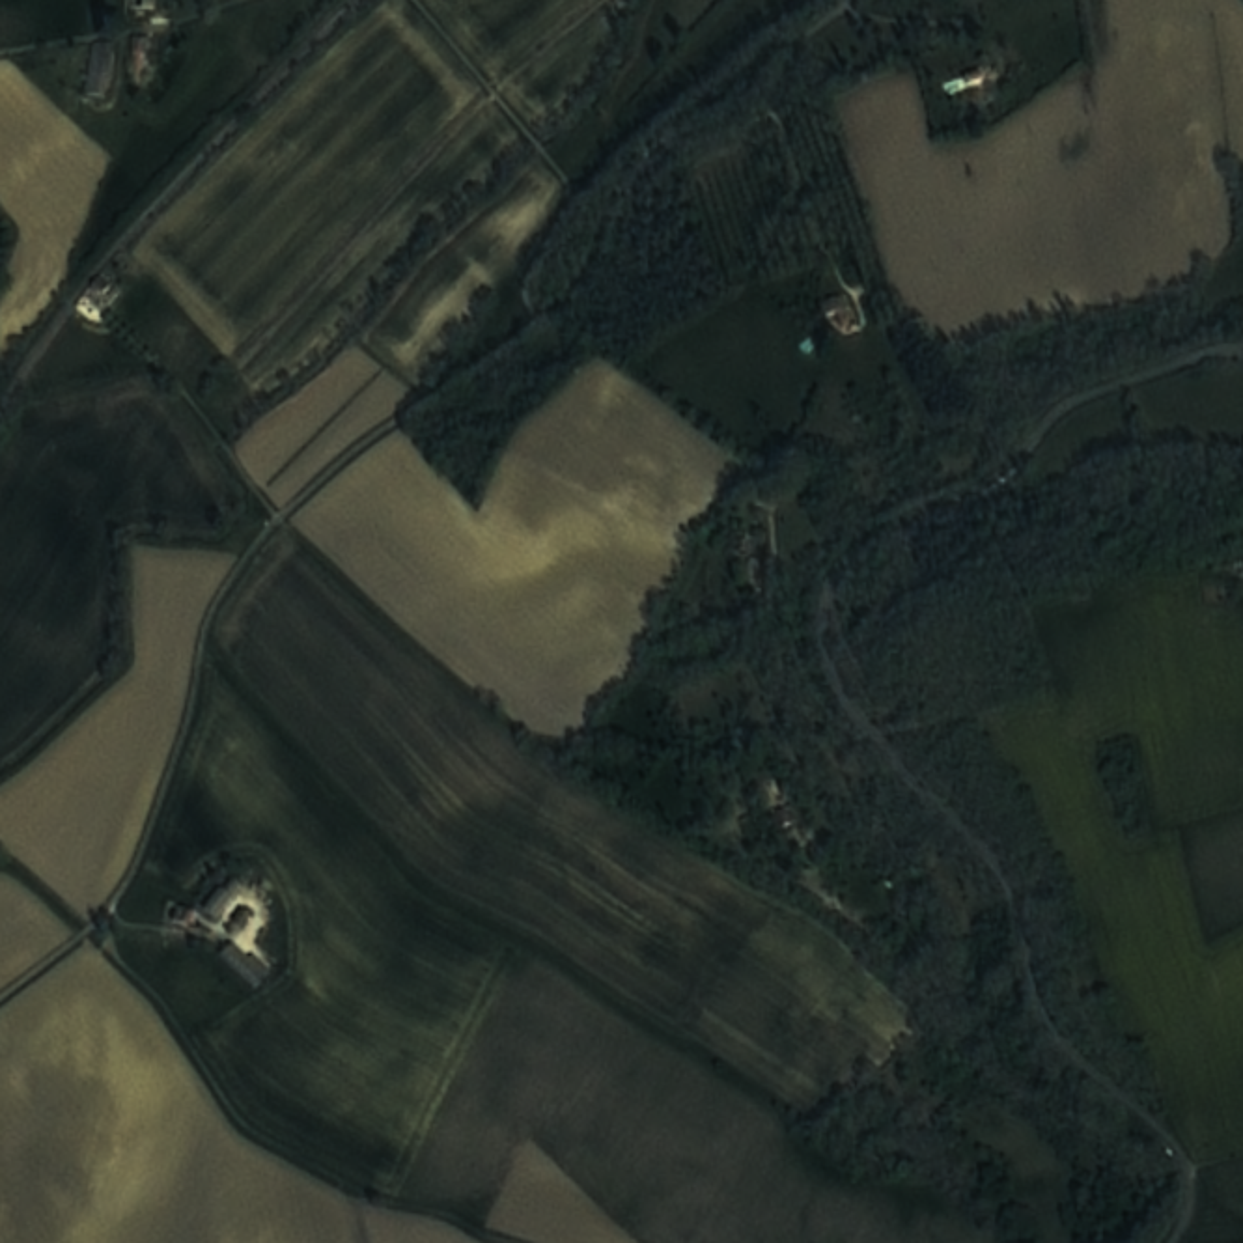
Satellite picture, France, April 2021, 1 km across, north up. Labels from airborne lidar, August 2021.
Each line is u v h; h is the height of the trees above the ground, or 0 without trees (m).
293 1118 0
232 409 0
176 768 0
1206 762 0
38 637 0
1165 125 0
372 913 0
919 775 21
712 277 16
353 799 0
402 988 0
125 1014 0
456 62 0
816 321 9
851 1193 0
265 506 0
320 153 0
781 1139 0
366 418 0
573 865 0
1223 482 21
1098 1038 15
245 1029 0
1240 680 0
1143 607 0
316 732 0
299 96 0
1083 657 0
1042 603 11
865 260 28
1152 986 0
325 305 0
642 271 7
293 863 0
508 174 18
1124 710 0
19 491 0
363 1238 0
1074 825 0
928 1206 0
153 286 0
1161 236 0
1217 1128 0
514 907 0
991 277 0
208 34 0
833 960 0
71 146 0
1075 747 0
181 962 0
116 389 0
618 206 11
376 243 0
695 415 11
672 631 11
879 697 11
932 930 21
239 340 0
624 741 18
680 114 19
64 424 0
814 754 19
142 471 0
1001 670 16
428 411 15
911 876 13
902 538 15
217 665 0
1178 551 19
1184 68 0
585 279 11
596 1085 0
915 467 8
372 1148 0
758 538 11
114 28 25
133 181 0
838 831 15
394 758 0
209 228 0
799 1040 0
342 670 0
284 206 0
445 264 0
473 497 9
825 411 0
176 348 0
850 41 0
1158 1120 10
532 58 0
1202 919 0
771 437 0
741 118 21
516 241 0
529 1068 0
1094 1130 21
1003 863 17
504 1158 0
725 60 19
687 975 0
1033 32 0
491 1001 0
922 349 22
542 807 0
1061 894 10
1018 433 22
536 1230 0
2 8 0
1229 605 9
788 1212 0
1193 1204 0
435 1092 0
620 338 16
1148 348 13
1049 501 8
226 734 0
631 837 0
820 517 13
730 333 0
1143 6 0
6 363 14
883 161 0
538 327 19
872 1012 0
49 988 0
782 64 24
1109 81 0
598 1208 0
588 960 0
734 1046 0
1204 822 0
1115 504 23
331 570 0
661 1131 0
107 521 0
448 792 0
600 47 0
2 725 0
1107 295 0
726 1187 0
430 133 0
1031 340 9
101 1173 0
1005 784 16
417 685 0
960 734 13
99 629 0
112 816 0
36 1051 0
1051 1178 0
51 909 0
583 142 0
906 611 10
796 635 17
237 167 0
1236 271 0
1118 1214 6
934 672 12
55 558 0
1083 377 19
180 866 0
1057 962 12
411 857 0
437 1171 0
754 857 17
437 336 0
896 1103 18
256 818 0
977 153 0
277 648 0
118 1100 0
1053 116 0
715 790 16
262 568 0
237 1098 0
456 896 0
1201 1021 0
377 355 0
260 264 0
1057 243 0
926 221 0
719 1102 0
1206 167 0
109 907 0
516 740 9
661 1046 0
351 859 0
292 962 0
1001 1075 19
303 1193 0
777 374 0
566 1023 0
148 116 0
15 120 0
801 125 21
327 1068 0
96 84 0
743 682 8
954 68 7
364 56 0
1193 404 0
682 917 0
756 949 0
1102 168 0
